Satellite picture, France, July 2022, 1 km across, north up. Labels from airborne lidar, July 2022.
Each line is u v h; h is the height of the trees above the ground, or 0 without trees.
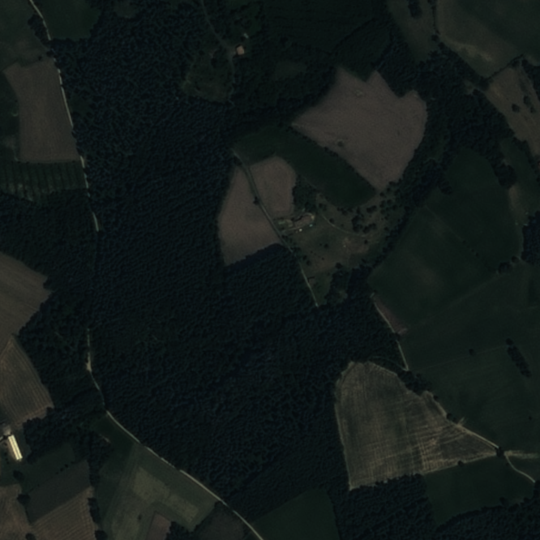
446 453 0
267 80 7
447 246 0
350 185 0
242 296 35
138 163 21
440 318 0
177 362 31
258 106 9
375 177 0
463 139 19
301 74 6
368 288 21
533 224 17
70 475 0
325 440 21
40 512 0
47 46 12
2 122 0
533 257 31
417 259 0
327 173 0
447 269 0
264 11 15
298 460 20
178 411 29
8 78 0
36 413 0
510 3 0
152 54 38
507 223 0
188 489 0
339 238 0
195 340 21
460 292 0
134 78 24
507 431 0
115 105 28
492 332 0
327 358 22
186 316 20
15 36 0
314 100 19
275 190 0
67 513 0
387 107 0
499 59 0
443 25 0
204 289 17
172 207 22
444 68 24
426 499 23
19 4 0
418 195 20
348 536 24
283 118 18
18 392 0
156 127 17
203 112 28
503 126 26
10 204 27
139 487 0
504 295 0
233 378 28
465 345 0
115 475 0
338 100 0
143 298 27
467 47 0
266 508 21
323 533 0
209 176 27
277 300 29
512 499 0
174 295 21
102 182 25
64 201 7
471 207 0
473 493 0
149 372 12
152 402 22
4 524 0
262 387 26
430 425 0
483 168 0
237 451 26
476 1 0
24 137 0
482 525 24
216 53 7
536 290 0
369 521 22
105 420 0
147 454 0
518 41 0
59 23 0
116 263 24
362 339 25
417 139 0
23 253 20
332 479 19
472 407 0
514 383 0
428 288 0
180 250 30
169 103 22
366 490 16
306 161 0
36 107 0
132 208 20
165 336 15
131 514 0
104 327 8
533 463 0
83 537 0
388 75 16
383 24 11
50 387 11
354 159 0
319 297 0
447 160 14
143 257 29
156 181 21
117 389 33
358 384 0
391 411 0
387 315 0
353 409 0
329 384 25
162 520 0
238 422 25
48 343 27
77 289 22
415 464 0
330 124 0
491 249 0
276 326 33
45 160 0
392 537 26
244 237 0
